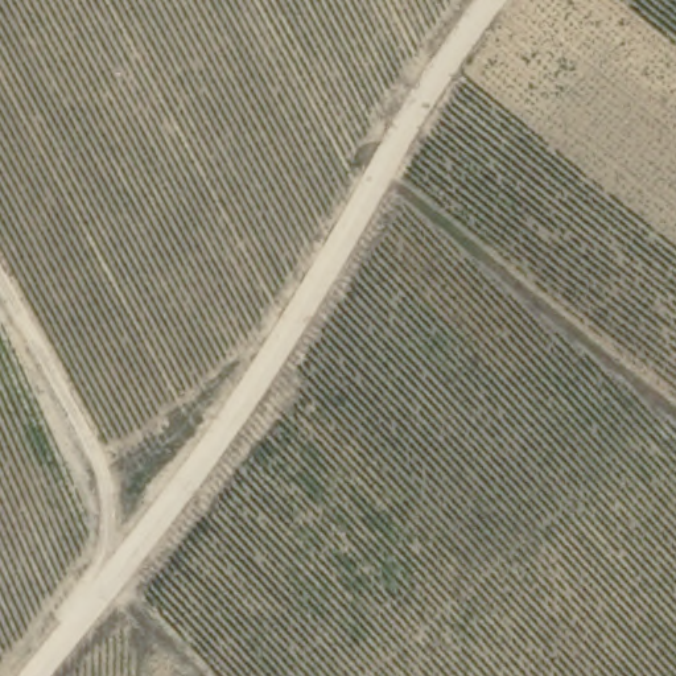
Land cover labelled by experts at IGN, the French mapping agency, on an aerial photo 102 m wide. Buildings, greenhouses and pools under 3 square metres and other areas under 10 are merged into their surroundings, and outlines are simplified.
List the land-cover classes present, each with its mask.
<instances>
[{"label":"vineyard","instance_id":"1","mask_svg":"<svg viewBox=\"0 0 676 676\"><path fill-rule=\"evenodd\" d=\"M473 0H0V261L5 272L16 280L34 322L40 325L42 335L55 351L74 393L79 396L82 409L87 412L98 433L103 454L111 462L119 454L137 449L143 438L158 436L169 425V415L190 404L227 364L238 362L240 375L256 362L259 351L269 338L267 333L277 327V322L285 317L290 298L296 296L298 285L304 283L312 267L317 243H325L333 235L338 217L333 211L349 203L351 182L386 143L393 119L404 108L409 92L423 82L433 58L454 32V26L462 21ZM412 158L404 177L386 187L375 214L364 224L341 275L330 285L314 317L306 322L301 338L285 356L280 372L272 378V383L267 386V391L261 393V399L256 401V407L251 409L230 446L222 452L217 465L209 470V475L201 481L193 496L182 504L180 515L164 531L158 547L116 592L108 613L74 647V652L63 660L55 676H676V0H507L491 16L470 53L462 58L459 69L452 74L449 87L438 95L433 111H428V116L423 119L417 137L409 148ZM71 470L55 454V441L40 409V401L32 396L26 372L11 341L3 338L0 330V663L5 652L24 636L26 626L42 607V599L50 597L66 578L69 562L82 555L87 541V507L79 491H71Z\"/></svg>","mask_w":676,"mask_h":676},{"label":"pervious surface","instance_id":"2","mask_svg":"<svg viewBox=\"0 0 676 676\"><path fill-rule=\"evenodd\" d=\"M507 0H473L462 21L454 26V32L433 58L423 82L409 92L404 108L393 119L386 143L351 182L349 203L333 211L338 217L333 235L325 243H317L312 267L304 283L298 285L296 296L290 298L285 317L277 322V327L267 333L269 338L259 351L256 362L240 375L232 393L224 399L219 417L211 423L203 420L195 436L148 483L140 507L132 518L119 510V481L111 470V462L103 454L98 433L87 412L82 409L79 396L74 393L55 351L42 335L40 325L34 322L16 280L5 272L0 261V330L3 338L11 341L26 372L32 396L40 401V409L55 441V454L71 470V491H79L87 507V541L82 555L69 562L66 578L50 597L42 599V607L26 626L24 636L5 652L0 663V676H55L63 660L74 652V647L108 613L116 592L158 547L164 531L180 515L182 504L193 496L201 481L209 475V470L217 465L222 452L230 446L251 409L256 407V401L261 399V393L267 391V386L272 383V378L280 372L285 356L301 338L306 322L314 317L330 285L341 275L364 224L375 214L386 187L404 177L412 158L409 148L417 137L423 119L428 116V111H433L438 95L449 87L452 74L459 69L462 58L470 53L491 16Z\"/></svg>","mask_w":676,"mask_h":676},{"label":"herbaceous vegetation","instance_id":"3","mask_svg":"<svg viewBox=\"0 0 676 676\"><path fill-rule=\"evenodd\" d=\"M238 362L227 364L190 404L169 415V425L158 436L143 438L137 449L119 454L111 462V470L119 481V510L132 518L140 507L148 483L195 436L203 420L211 423L219 417L224 399L232 393L240 375Z\"/></svg>","mask_w":676,"mask_h":676}]
</instances>
